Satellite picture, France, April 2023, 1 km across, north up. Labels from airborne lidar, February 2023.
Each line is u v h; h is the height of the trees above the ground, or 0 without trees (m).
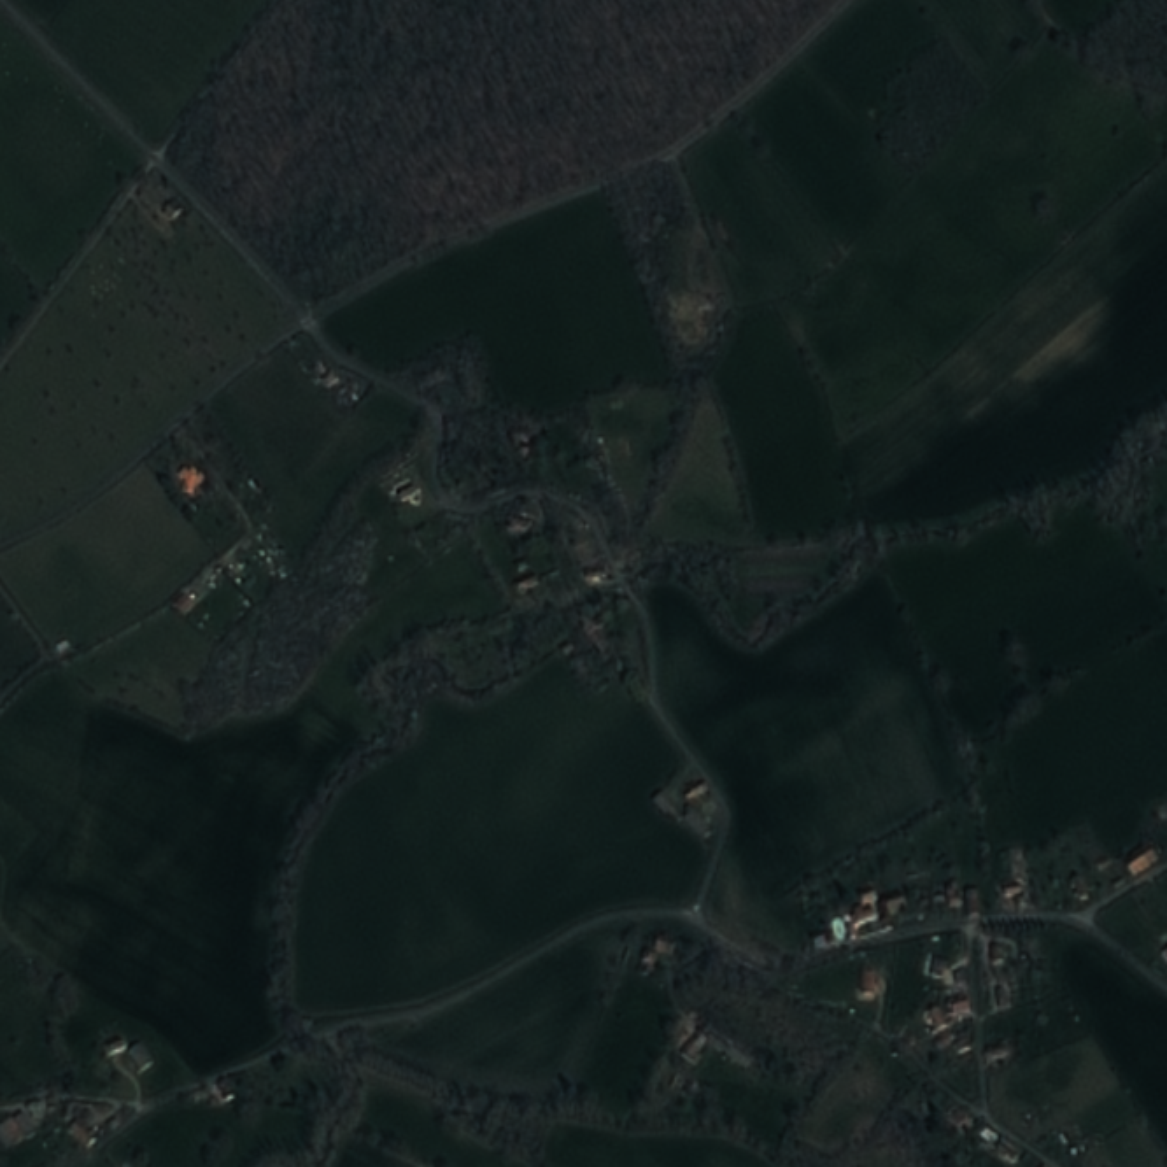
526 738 0
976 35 0
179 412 0
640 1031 0
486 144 19
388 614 0
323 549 11
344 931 0
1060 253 0
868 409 0
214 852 0
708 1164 0
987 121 0
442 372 14
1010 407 0
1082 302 0
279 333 0
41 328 0
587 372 0
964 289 0
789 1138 6
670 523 0
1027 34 0
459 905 0
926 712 0
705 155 0
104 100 0
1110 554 0
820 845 0
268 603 10
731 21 18
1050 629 0
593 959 0
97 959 0
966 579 0
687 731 0
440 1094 27
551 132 22
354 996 0
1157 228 0
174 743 0
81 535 0
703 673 0
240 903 0
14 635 0
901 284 0
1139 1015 0
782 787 0
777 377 0
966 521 0
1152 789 0
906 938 0
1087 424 0
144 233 7
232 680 6
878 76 0
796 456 0
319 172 20
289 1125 0
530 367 0
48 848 0
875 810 0
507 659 16
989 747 0
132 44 0
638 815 0
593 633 0
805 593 0
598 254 0
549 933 0
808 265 0
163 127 0
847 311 0
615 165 16
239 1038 0
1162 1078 0
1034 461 0
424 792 0
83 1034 0
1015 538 0
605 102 20
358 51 21
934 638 0
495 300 0
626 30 19
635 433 0
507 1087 0
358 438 0
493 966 0
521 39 18
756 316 0
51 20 0
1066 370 0
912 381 0
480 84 23
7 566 0
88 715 0
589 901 0
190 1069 0
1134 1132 0
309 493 0
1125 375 0
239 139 6
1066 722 0
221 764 0
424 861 0
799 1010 8
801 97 0
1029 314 0
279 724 0
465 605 0
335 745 0
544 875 0
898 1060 13
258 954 0
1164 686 0
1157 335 0
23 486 0
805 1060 8
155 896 0
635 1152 0
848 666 0
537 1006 0
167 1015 0
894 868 13
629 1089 0
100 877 0
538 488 13
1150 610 0
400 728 22
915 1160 6
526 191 9
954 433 0
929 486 0
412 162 19
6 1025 0
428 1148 0
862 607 0
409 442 8
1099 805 0
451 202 7
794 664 0
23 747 0
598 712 0
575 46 22
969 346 0
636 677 10
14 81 0
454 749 0
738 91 15
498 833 0
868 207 0
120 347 0
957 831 9
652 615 0
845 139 0
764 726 0
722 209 0
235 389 0
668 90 21
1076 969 0
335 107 20
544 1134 13
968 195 0
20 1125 0
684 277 0
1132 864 0
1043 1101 0
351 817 0
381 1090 0
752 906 0
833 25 0
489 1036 0
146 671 0
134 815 0
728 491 0
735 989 15
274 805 0
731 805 0
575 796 0
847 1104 0
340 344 0
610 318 0
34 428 0
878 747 0
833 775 0
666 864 0
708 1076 0
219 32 0
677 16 21
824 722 0
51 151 0
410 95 19
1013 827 0
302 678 7
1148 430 19
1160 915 0
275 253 9
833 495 0
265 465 0
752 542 0
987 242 0
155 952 0
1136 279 0
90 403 0
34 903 0
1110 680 0
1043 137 0
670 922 0
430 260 9
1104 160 0
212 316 0
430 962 0
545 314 0
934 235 0
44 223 0
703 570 11
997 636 0
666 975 16
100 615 0
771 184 0
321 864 0
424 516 0
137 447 0
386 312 0
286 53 15
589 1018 0
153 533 0
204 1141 0
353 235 20
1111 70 22
